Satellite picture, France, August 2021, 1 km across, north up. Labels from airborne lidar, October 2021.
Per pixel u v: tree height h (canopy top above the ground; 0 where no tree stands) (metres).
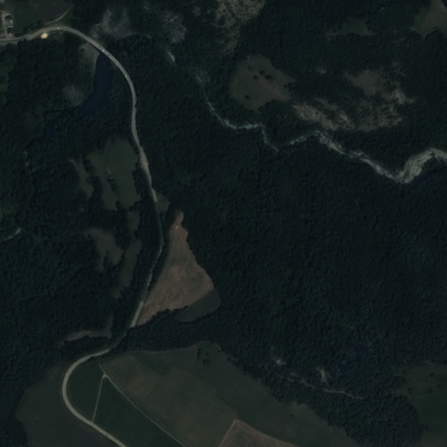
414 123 13
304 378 11
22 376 19
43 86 26
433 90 17
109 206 0
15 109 23
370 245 19
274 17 17
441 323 17
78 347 20
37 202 36
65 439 0
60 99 20
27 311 24
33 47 19
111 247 0
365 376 17
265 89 0
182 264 0
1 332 18
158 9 9
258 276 22
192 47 12
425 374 0
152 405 0
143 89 16
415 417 12
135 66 20
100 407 0
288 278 6
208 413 0
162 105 19
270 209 22
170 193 19
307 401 6
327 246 21
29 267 17
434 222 23
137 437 0
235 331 19
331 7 25
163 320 15
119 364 0
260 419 0
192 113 19
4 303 22
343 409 11
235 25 7
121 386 0
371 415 10
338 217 16
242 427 0
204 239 21
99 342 16
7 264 19
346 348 7
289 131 11
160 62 20
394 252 25
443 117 16
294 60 12
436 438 0
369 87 0
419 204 25
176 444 0
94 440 0
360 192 27
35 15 0
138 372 0
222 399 0
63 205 27
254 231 30
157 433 0
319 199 27
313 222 19
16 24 0
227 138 26
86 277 21
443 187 20
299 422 0
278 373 12
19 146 40
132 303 24
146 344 15
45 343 13
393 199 22
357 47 12
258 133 17
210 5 11
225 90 16
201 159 28
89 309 26
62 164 22
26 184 33
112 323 0
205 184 13
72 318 22
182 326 15
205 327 17
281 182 19
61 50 15
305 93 13
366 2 22
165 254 9
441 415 0
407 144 21
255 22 19
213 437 0
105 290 18
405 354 11
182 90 21
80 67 11
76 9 6
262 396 0
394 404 20
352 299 21
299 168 21
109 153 0
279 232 14
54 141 26
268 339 11
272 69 0
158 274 10
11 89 19
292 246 23
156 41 28
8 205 16
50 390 0
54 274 16
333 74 11
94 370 0
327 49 9
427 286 17
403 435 16
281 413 0
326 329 15
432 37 20
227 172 22
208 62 10
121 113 14
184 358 0
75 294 13
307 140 8
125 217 15
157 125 22
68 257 17
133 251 0
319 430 0
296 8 14
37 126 13
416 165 0
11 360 17
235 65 15
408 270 20
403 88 8
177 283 0
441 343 19
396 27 10
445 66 15
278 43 8
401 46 14
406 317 25
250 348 15
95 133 23
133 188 0
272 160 10
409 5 17
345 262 25
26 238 23
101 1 19
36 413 0
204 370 0
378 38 15
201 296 0
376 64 14
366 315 12
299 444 0
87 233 0
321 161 15
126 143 0
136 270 11
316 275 20
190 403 0
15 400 13
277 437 0
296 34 16
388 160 8
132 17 18
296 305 6
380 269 28
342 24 13
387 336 14
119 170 0
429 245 25
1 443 17
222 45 6
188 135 27
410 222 26
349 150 22
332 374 7
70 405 0
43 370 14
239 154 24
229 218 8
